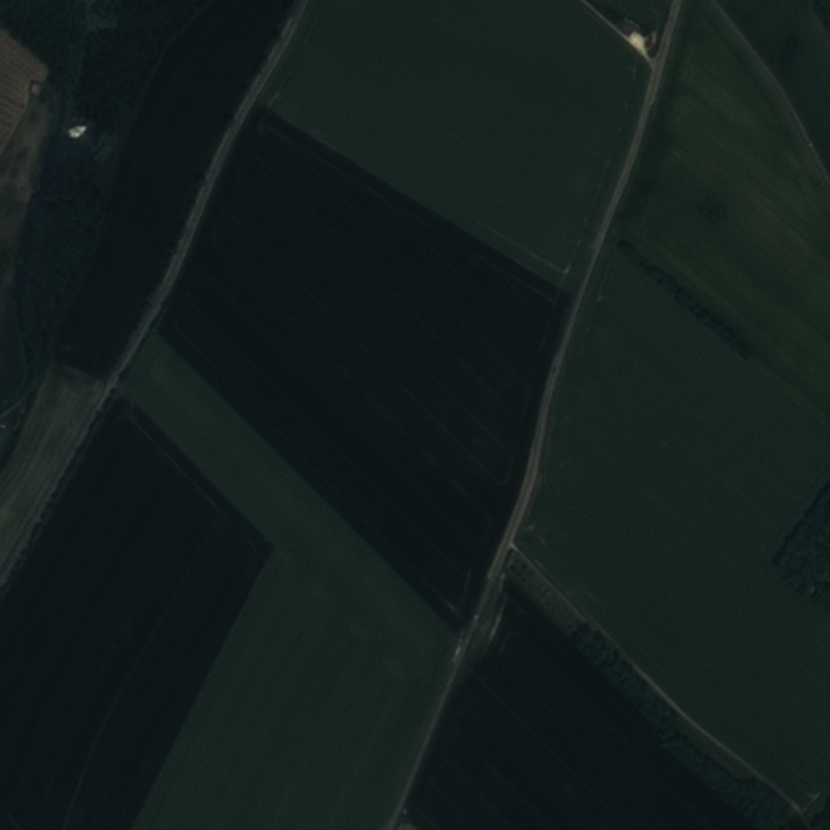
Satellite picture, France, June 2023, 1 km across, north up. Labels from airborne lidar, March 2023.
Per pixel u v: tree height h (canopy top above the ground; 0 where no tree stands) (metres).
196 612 0
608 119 0
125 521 0
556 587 0
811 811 0
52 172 30
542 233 0
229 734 0
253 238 0
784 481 0
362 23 0
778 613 0
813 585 12
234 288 0
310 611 0
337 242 0
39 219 34
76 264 30
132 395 0
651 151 0
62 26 27
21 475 0
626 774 0
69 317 0
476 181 0
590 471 0
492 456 0
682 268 0
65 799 0
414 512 0
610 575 0
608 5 0
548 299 0
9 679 0
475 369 0
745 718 0
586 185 0
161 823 0
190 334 0
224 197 0
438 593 0
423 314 0
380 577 0
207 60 0
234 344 0
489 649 0
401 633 0
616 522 0
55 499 7
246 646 0
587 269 0
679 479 0
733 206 0
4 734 0
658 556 0
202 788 0
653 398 0
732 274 0
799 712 0
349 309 0
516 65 0
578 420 0
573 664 0
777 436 0
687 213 0
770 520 0
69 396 0
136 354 0
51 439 0
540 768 0
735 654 0
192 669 0
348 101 0
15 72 0
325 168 0
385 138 0
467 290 0
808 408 0
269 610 0
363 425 0
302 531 0
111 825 0
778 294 0
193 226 0
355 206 0
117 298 0
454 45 0
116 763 0
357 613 0
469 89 0
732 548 0
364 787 0
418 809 0
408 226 0
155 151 0
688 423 0
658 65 0
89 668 0
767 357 0
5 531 0
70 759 0
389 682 0
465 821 0
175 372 0
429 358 0
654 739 0
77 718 0
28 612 0
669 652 0
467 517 0
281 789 0
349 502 0
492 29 0
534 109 0
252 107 0
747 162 0
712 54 0
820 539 14
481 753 0
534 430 0
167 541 0
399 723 0
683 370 0
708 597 0
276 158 0
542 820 0
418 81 0
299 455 0
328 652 0
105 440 0
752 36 0
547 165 0
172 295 0
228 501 0
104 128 27
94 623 0
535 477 0
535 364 0
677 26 0
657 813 0
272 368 0
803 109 0
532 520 0
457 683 0
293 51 0
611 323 0
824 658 0
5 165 0
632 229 0
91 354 0
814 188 0
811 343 0
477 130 0
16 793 0
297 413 0
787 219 0
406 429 0
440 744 0
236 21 0
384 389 0
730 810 0
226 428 0
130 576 0
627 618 0
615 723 0
